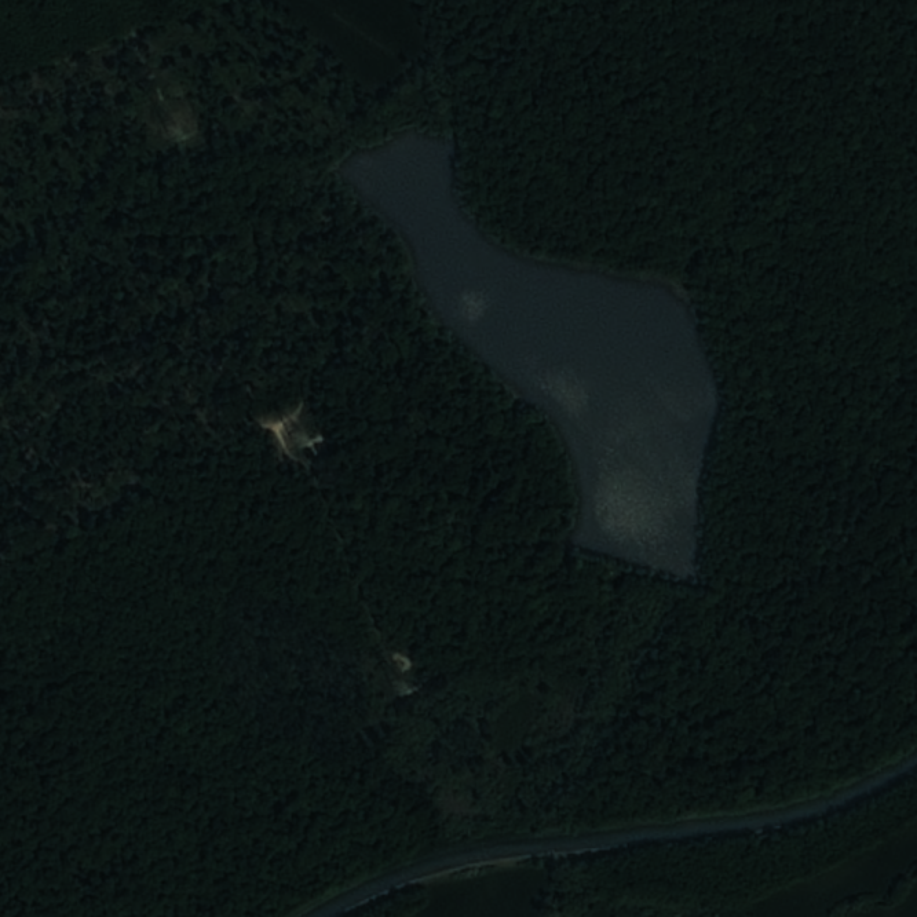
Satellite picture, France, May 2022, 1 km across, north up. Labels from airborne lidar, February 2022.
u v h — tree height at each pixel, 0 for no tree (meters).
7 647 24
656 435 0
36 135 25
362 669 9
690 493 0
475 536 23
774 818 0
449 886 0
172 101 0
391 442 28
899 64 25
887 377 24
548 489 28
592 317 0
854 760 23
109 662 27
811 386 22
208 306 28
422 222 0
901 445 21
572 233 20
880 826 16
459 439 28
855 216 23
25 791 26
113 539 22
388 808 26
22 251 29
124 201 28
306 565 22
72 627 27
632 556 0
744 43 24
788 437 24
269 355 26
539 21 24
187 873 24
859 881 0
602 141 21
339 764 29
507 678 12
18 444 27
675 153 22
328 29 0
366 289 25
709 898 15
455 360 27
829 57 21
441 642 18
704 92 21
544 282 0
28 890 27
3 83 26
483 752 6
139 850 23
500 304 0
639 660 9
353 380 27
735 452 22
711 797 25
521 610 25
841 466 24
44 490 25
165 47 0
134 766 24
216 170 25
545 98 23
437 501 26
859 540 28
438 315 0
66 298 23
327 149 22
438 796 6
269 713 35
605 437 0
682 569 0
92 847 23
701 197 24
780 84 21
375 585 23
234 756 28
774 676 27
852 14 21
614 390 0
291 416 0
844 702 25
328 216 25
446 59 23
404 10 0
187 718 28
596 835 0
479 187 21
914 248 23
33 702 23
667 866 18
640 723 26
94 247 27
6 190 24
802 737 23
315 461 27
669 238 24
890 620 26
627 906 6
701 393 0
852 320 22
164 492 22
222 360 28
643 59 23
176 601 28
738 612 22
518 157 23
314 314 0
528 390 0
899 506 26
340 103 27
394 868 0
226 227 29
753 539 22
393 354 24
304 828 28
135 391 25
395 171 0
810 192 19
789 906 0
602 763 26
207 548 22
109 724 29
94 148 23
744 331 23
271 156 28
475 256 0
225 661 29
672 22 23
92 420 28
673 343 0
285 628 26
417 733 6
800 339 21
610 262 15
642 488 0
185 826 28
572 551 17
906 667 27
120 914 24
